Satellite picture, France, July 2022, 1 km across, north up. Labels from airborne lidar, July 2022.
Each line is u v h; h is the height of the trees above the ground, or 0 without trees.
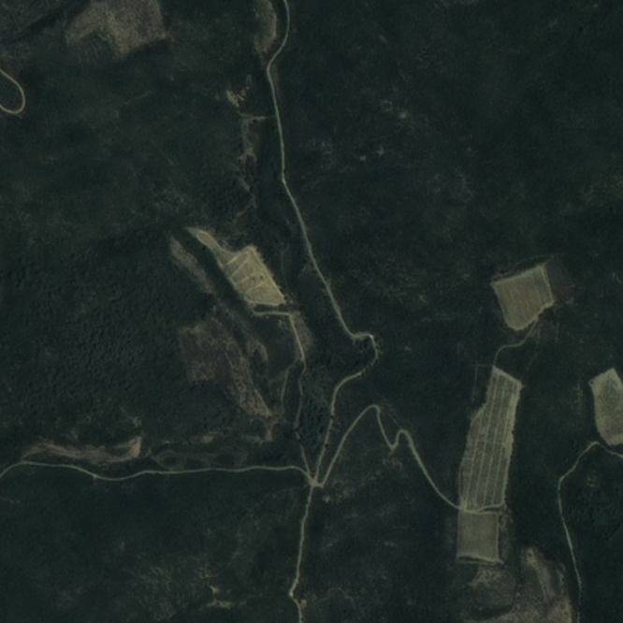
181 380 10
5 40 9
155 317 10
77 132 6
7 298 6
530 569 0
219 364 0
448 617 5
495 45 5
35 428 6
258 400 0
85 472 7
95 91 0
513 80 6
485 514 0
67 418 6
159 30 0
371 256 6
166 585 0
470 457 0
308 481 0
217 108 7
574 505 6
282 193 6
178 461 0
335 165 6
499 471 0
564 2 7
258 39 0
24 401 9
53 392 9
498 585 0
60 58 0
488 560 0
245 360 0
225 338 0
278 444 6
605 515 10
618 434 0
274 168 9
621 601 6
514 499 5
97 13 0
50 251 7
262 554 6
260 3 0
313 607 0
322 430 9
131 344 10
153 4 0
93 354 11
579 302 5
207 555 0
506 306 0
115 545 0
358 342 6
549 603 0
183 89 6
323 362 7
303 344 0
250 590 5
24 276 12
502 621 0
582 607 6
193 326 0
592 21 11
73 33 0
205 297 6
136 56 7
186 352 0
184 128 0
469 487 0
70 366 9
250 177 11
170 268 7
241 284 0
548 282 0
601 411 0
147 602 0
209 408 10
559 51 6
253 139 0
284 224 8
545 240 7
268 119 6
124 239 9
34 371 8
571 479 7
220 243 0
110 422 5
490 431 0
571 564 6
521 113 5
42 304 8
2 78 6
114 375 9
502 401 0
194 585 0
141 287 7
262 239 9
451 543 0
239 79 6
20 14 9
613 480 9
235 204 9
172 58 0
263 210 6
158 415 7
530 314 0
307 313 6
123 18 0
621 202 6
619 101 6
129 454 0
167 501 6
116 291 10
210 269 7
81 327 10
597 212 6
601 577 5
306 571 6
